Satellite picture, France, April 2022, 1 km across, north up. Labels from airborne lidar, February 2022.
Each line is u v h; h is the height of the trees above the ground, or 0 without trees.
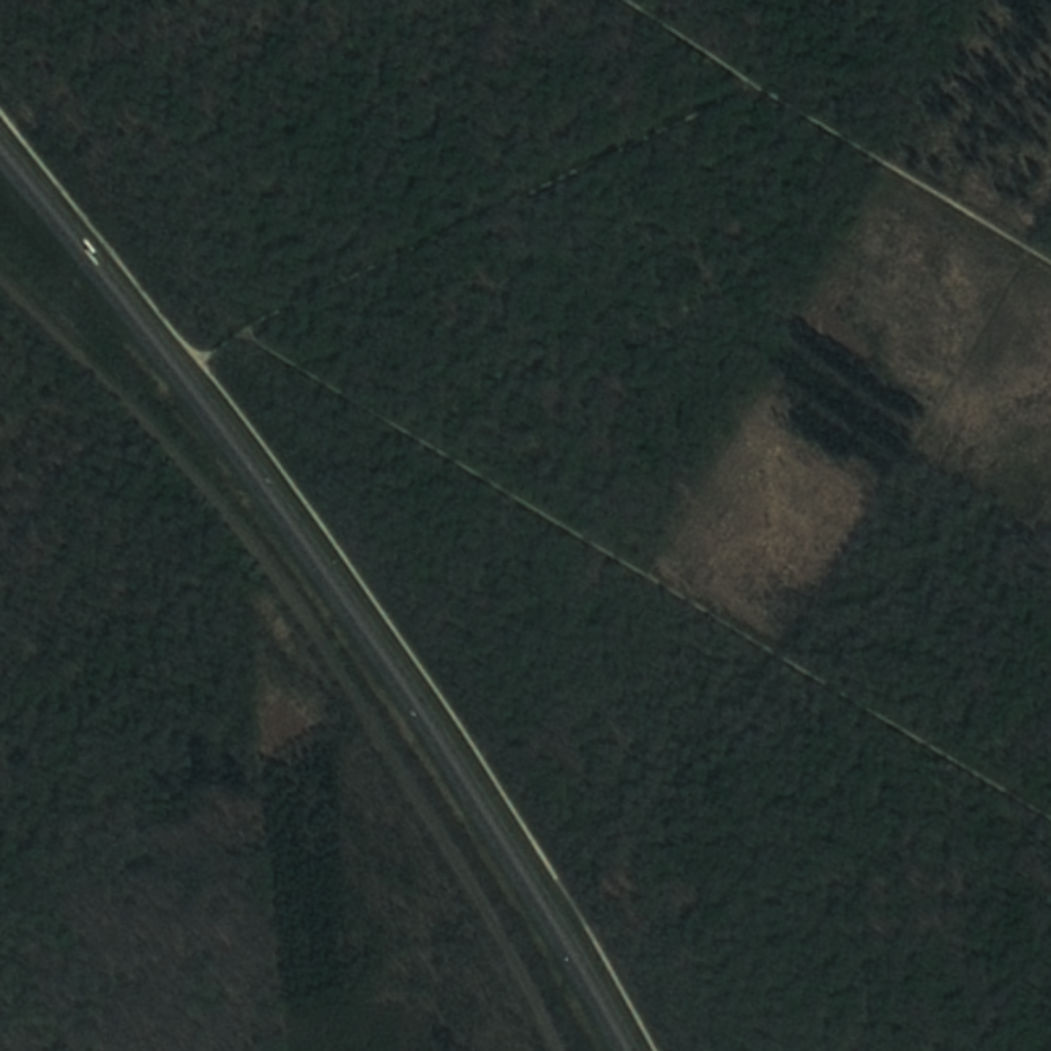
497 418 25
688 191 26
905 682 19
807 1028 27
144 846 20
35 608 25
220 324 25
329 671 14
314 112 28
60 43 26
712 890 25
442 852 15
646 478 24
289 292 25
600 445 23
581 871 15
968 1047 25
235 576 24
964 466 0
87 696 20
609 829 20
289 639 0
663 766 23
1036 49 23
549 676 21
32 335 12
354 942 18
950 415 0
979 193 0
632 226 20
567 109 23
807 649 24
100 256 0
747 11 23
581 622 21
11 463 0
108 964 28
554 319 26
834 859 25
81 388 29
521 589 26
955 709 23
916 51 22
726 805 23
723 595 0
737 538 0
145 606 24
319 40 28
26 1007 25
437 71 21
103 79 22
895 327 0
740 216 21
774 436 0
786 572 0
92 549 24
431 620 26
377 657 0
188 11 28
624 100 27
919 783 23
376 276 21
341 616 0
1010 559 29
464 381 25
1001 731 23
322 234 18
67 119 26
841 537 0
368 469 29
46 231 0
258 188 28
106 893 29
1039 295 0
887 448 18
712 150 24
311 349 26
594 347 25
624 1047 0
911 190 0
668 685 24
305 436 25
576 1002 0
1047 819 20
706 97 22
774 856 24
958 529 22
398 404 20
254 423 6
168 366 0
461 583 24
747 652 24
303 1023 12
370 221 24
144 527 23
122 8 25
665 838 23
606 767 25
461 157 20
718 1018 22
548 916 0
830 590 18
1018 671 25
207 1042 30
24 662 24
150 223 24
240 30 22
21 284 0
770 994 22
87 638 23
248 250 27
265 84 26
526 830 0
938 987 27
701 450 22
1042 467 0
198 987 28
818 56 20
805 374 19
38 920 24
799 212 23
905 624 22
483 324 26
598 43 25
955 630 23
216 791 27
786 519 0
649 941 20
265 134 24
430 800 7
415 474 23
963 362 0
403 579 28
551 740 30
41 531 25
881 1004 23
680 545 0
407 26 21
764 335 24
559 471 19
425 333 28
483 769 0
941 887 26
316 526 0
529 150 24
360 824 19
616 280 19
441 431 26
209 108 28
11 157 0
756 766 22
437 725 0
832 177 23
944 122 16
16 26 26
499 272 19
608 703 25
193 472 0
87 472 20
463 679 25
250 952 26
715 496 0
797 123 23
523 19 25
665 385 28
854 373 24
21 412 23
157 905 25
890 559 22
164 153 26
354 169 25
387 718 14
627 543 21
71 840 26
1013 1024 26
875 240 0
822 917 26
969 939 29
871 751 21
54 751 27
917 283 0
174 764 27
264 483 0
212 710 26
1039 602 25
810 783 25
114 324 0
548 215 27
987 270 0
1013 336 0
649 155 19
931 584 21
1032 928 22
